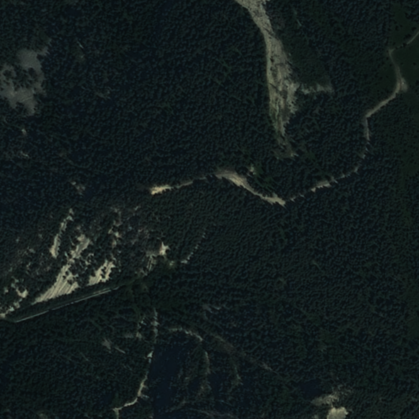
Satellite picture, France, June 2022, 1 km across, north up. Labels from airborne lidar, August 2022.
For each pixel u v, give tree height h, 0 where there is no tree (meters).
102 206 15
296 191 36
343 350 23
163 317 27
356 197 32
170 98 38
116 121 26
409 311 23
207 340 28
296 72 23
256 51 25
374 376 14
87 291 14
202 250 25
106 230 28
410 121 7
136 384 13
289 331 31
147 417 7
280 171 35
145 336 10
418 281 8
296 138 27
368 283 7
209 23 31
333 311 30
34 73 19
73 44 28
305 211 33
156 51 28
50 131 9
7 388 19
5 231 23
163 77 33
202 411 12
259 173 0
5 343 30
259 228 30
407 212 8
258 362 13
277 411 25
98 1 12
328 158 33
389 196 29
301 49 8
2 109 24
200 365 7
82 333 30
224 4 27
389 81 0
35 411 9
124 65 17
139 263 20
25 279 18
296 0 7
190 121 37
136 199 9
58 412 13
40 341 17
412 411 22
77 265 20
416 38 0
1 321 15
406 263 9
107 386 22
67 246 21
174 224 26
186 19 32
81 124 29
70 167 20
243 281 34
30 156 21
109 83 8
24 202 13
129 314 34
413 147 11
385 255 29
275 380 11
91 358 15
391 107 8
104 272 24
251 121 11
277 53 0
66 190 24
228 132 34
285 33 11
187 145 31
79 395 22
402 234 10
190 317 15
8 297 18
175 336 7
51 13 14
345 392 6
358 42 8
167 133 34
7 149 17
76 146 23
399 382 24
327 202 33
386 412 24
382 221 24
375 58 7
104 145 15
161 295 13
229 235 25
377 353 28
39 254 19
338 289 28
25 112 18
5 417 20
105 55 7
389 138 6
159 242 27
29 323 19
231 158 29
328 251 37
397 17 0
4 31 20
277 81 0
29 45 11
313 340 16
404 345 6
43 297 0
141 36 13
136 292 20
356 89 25
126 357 10
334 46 29
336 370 9
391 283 26
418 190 23
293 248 26
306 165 20
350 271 10
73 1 19
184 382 10
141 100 28
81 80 13
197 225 21
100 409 14
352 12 29
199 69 36
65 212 12
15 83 8
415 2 18
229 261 27
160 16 7
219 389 7
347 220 27
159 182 29
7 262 16
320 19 9
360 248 33
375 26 25
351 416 24
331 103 24
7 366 10
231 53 12
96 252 15
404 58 0
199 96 32
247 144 33
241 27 7
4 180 7
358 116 24
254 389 15
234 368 7
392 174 23
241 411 16
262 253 29
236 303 28
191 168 35
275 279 31
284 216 37
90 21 6
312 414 10
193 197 13
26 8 9
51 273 21
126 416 15
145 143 29
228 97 33
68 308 16
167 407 11
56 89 23
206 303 33
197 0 19
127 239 19
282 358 26
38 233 13
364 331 21
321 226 34
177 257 12
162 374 13
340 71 27
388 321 21
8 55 12
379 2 15
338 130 32
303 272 26
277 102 0
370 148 34
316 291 33
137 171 21
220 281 33
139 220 10
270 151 29
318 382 8
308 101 12
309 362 25
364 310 22
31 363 18
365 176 34
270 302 6
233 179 0
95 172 22
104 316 11
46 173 32
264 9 0
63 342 9
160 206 25
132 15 22
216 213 23
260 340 7
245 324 25
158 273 17
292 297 35
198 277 29
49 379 18
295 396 10
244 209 24
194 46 28
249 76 29
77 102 26
